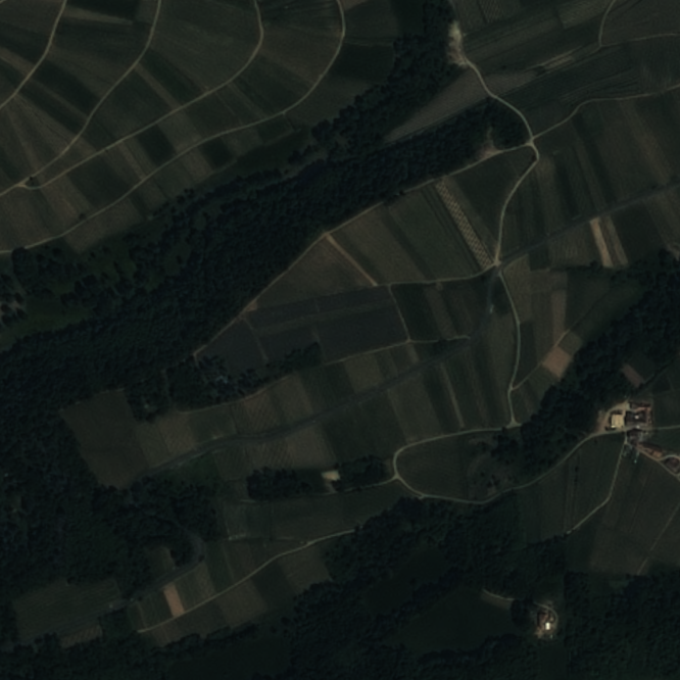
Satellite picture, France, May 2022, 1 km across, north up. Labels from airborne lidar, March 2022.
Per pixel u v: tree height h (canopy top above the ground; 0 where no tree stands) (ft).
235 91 0
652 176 0
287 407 0
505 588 41
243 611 0
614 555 0
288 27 0
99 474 0
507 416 0
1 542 73
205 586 0
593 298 0
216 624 0
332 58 0
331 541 0
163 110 0
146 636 0
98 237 0
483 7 0
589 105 0
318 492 0
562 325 0
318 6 0
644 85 0
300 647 30
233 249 61
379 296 0
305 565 0
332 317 0
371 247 0
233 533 0
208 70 0
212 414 0
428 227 0
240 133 0
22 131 0
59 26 0
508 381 0
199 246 62
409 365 0
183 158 0
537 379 0
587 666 27
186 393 25
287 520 0
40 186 0
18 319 52
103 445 0
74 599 0
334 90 0
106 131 0
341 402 0
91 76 0
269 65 0
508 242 0
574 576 39
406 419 0
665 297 61
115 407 0
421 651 0
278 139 0
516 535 44
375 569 34
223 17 0
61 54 0
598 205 0
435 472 0
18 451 48
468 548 58
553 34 0
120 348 77
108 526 50
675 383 0
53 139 0
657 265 0
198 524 53
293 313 0
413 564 0
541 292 0
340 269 0
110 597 0
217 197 49
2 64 0
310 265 0
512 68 0
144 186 0
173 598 0
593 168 0
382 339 0
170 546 62
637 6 0
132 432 0
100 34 0
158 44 0
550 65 0
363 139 71
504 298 0
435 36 37
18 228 0
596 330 0
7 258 0
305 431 0
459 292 0
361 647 57
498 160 0
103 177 0
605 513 0
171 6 0
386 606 0
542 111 0
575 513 0
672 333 52
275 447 0
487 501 0
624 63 0
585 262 0
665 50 0
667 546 0
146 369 57
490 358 0
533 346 0
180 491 29
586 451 0
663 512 0
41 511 46
